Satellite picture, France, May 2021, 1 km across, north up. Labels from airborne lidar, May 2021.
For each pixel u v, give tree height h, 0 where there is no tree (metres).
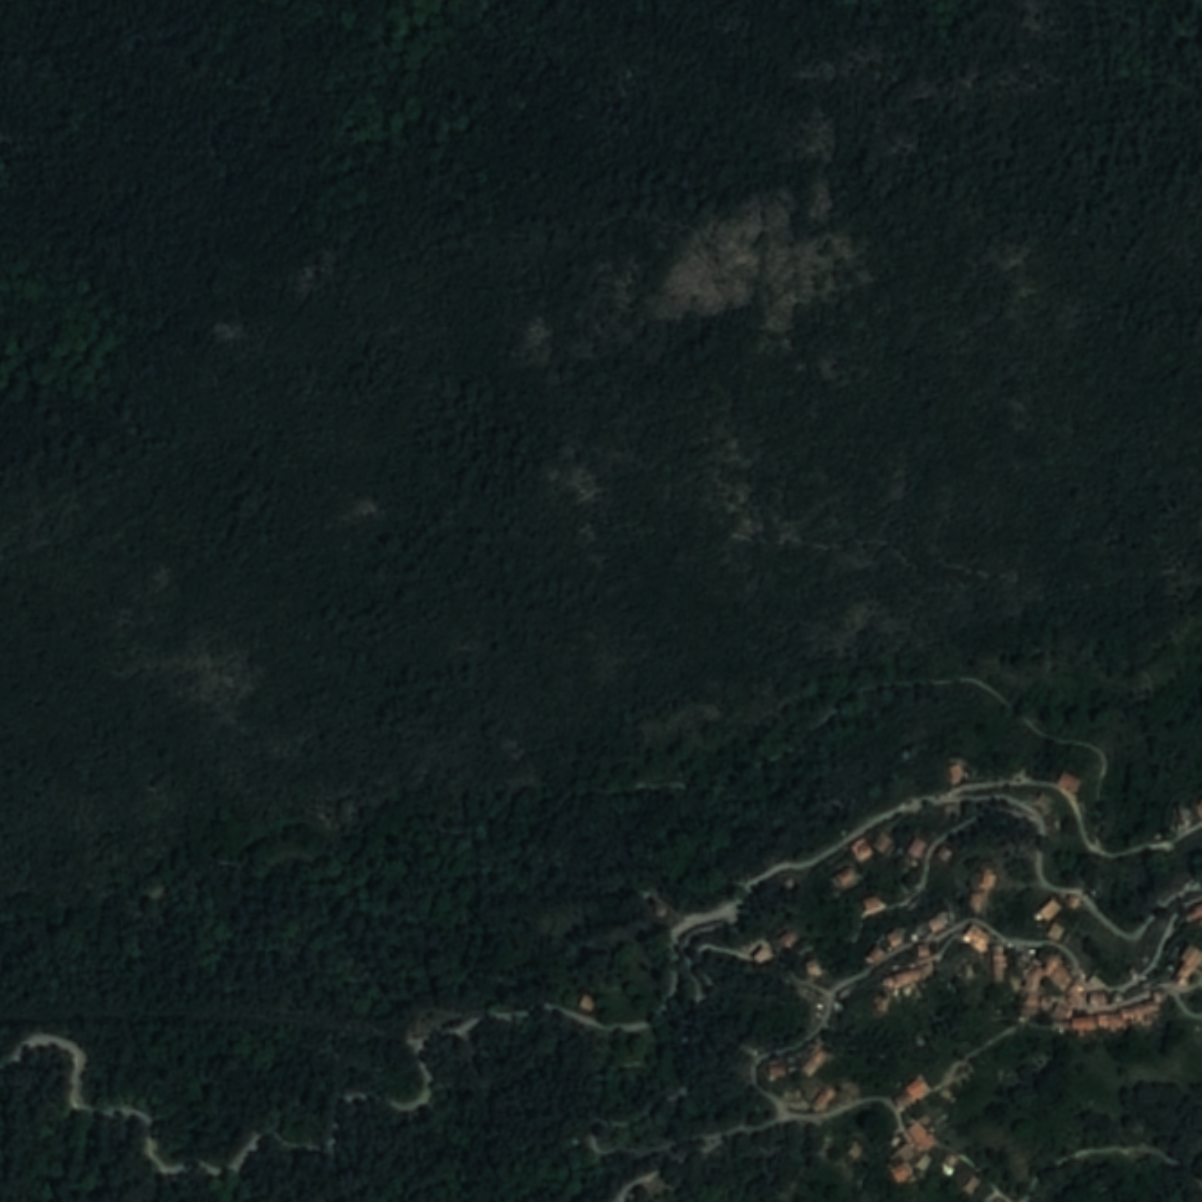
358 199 14
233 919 10
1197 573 7
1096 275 11
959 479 8
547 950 8
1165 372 10
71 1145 17
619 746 13
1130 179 21
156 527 11
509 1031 16
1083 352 10
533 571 11
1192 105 19
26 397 10
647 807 13
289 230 11
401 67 10
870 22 8
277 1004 18
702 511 8
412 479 7
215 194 9
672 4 11
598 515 8
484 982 16
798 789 13
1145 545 13
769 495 7
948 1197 13
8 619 17
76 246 15
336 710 9
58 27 19
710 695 16
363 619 18
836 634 9
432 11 14
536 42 12
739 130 6
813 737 6
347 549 8
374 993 16
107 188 11
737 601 9
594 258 9
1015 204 8
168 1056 16
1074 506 10
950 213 8
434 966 22
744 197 8
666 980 21
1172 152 15
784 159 7
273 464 11
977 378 15
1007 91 6
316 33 14
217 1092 21
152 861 10
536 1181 14
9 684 16
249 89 13
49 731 13
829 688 8
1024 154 18
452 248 10
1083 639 9
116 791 14
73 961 7
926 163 13
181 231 11
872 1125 23
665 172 12
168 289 6
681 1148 7
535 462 7
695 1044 19
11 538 10
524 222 11
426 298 11
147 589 6
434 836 9
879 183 17
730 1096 12
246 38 13
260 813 15
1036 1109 20
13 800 12
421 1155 19
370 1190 27
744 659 13
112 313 10
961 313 9
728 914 0
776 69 9
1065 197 12
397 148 16
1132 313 11
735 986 13
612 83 7
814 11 15
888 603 7
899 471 8
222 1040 20
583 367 11
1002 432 12
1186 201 16
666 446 10
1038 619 17
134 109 14
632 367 13
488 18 13
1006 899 6
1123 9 14
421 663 9
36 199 18
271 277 8
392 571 12
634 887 6
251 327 7
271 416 9
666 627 10
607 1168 7
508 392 14
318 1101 10
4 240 17
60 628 14
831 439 12
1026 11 6
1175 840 10
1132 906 12
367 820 15
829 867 5
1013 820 12
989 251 12
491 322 10
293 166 9
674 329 10
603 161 7
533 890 6
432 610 9
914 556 7
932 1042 15
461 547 12
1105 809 10
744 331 8
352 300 8
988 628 13
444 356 11
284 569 9
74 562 15
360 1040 10
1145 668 13
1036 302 8
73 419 9
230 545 11
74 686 15
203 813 15
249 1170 11
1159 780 9
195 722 9
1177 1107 16
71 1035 12
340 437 9
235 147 13
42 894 7
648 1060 7
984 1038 15
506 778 13
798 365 9
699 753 6
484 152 11
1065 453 7
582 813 10
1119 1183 13
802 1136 14
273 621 9
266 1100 9
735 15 9
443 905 21
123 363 9
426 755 6
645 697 7
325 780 15
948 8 14
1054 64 8
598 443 9
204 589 9
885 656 14
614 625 10
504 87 11
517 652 9
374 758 13
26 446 9
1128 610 11
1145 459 8
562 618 10
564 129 12
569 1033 15
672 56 10
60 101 9
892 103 17
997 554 7
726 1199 13
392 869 14
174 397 7
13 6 19
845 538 9
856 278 9
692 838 19
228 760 9
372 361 25
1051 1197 5
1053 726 19
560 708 11
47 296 13
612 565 7
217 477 16
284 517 10
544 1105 19
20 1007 9
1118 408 9
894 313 8
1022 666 20
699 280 0
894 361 14
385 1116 22
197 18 14
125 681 10
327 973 13
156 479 9
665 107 8
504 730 6
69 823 9
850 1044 8
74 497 7
